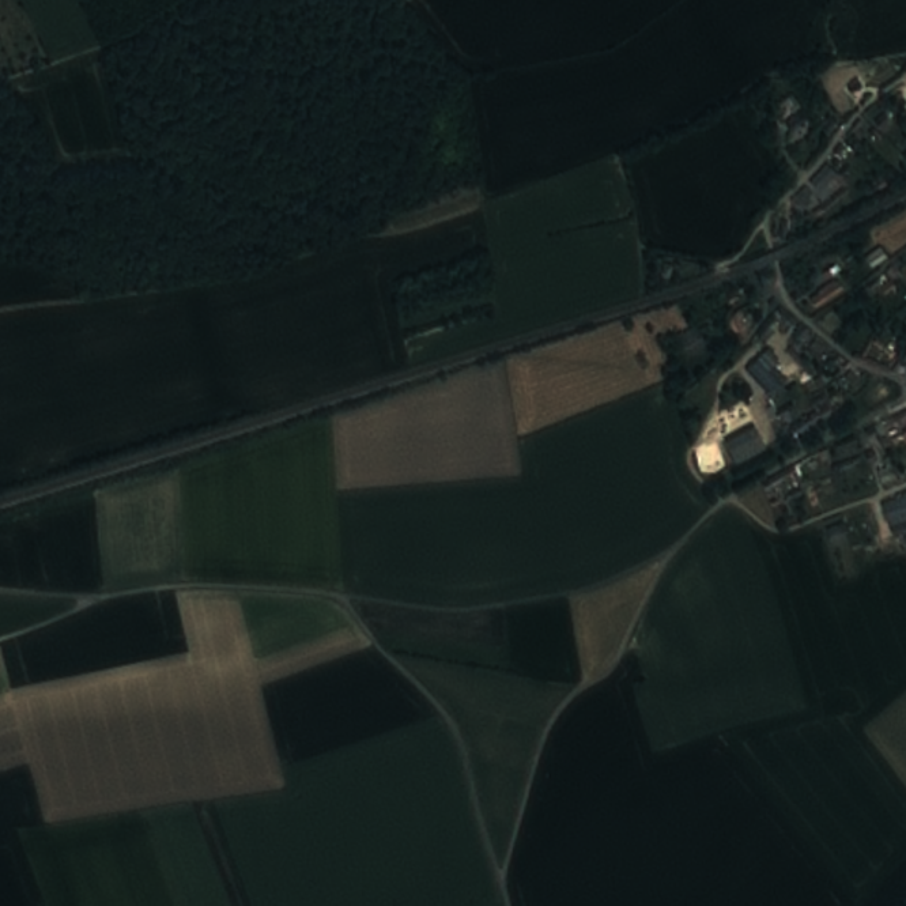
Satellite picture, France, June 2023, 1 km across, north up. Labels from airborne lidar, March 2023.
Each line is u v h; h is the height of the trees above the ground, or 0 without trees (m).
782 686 0
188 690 0
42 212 25
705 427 0
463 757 0
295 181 18
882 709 0
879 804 0
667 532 0
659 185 0
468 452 0
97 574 0
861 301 16
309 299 0
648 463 0
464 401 0
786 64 6
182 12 19
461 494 0
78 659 0
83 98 0
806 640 0
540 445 0
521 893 0
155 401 0
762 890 0
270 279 0
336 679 0
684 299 7
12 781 0
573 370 0
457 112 24
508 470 0
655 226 0
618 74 0
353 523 0
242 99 29
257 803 0
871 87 0
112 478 8
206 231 24
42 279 0
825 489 0
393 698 0
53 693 0
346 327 0
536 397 0
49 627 0
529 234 0
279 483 0
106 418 0
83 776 0
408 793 0
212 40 24
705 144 0
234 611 0
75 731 0
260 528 0
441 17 0
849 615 0
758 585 0
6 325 0
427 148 22
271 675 0
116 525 0
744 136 0
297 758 0
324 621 0
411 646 0
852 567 0
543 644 0
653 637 0
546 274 0
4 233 24
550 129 0
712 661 0
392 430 0
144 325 0
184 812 0
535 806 0
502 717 0
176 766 0
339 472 0
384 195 22
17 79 0
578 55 0
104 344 0
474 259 14
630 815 0
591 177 0
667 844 0
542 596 0
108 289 12
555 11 0
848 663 0
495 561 0
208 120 26
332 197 16
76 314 0
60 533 0
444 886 0
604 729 0
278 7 20
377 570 0
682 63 0
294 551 0
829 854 0
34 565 0
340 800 0
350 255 0
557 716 0
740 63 0
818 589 0
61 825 0
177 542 0
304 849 0
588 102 0
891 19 0
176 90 23
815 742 0
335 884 0
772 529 0
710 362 7
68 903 0
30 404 0
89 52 0
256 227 25
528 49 0
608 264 0
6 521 6
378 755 0
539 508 0
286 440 0
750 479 11
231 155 23
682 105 0
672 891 0
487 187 0
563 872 0
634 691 0
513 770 0
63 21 0
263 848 0
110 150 0
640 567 0
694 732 0
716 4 0
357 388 0
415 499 0
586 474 0
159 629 0
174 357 0
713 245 0
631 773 0
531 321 0
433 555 0
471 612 0
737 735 0
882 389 0
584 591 0
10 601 0
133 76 15
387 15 19
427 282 14
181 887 0
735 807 0
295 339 0
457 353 0
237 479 0
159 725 0
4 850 0
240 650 0
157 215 24
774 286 0
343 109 23
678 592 0
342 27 20
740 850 0
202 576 0
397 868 0
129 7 11
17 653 0
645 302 0
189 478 0
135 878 0
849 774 0
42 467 0
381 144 23
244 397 0
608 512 0
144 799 0
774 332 0
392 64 16
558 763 0
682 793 0
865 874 0
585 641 0
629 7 0
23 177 26
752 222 6
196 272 16
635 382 0
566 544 0
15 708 0
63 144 0
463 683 0
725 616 0
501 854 0
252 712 0
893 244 0
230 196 22
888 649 0
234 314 0
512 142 0
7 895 0
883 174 8
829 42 0
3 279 0
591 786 0
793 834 0
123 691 0
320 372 0
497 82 0
